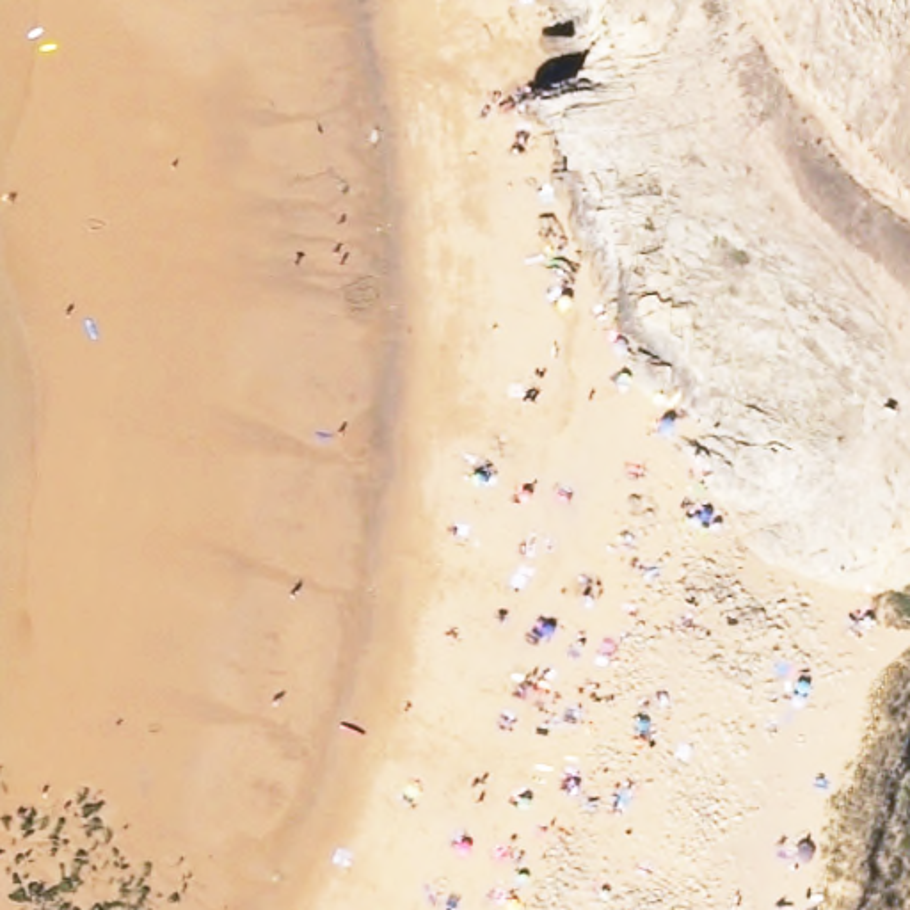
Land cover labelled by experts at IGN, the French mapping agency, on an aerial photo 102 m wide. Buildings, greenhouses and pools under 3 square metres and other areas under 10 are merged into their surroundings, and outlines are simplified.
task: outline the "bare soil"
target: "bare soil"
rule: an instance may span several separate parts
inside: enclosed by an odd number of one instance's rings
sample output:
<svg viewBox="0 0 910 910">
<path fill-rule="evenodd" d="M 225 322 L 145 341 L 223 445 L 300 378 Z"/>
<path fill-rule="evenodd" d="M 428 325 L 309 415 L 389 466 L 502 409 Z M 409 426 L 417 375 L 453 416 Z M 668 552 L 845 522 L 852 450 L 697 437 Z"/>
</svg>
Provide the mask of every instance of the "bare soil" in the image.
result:
<svg viewBox="0 0 910 910">
<path fill-rule="evenodd" d="M 807 103 L 800 103 L 796 92 L 782 82 L 778 68 L 771 64 L 761 43 L 761 32 L 746 21 L 746 0 L 0 0 L 0 910 L 910 910 L 910 220 L 899 217 L 889 203 L 882 203 L 874 188 L 860 185 L 850 171 L 842 171 L 839 153 L 832 153 L 825 142 L 821 117 Z"/>
</svg>

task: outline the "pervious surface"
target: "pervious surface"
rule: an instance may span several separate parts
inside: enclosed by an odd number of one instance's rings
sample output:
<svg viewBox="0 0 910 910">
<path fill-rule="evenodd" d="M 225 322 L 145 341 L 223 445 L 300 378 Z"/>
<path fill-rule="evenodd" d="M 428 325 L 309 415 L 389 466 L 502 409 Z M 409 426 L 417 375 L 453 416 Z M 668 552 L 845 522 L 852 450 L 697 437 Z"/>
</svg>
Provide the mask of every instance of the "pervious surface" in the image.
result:
<svg viewBox="0 0 910 910">
<path fill-rule="evenodd" d="M 882 203 L 889 203 L 899 217 L 910 220 L 910 0 L 746 0 L 746 21 L 761 32 L 761 43 L 771 64 L 778 68 L 782 82 L 796 92 L 800 103 L 807 103 L 821 117 L 825 142 L 832 153 L 839 153 L 842 171 L 850 171 L 860 185 L 874 188 Z"/>
</svg>

